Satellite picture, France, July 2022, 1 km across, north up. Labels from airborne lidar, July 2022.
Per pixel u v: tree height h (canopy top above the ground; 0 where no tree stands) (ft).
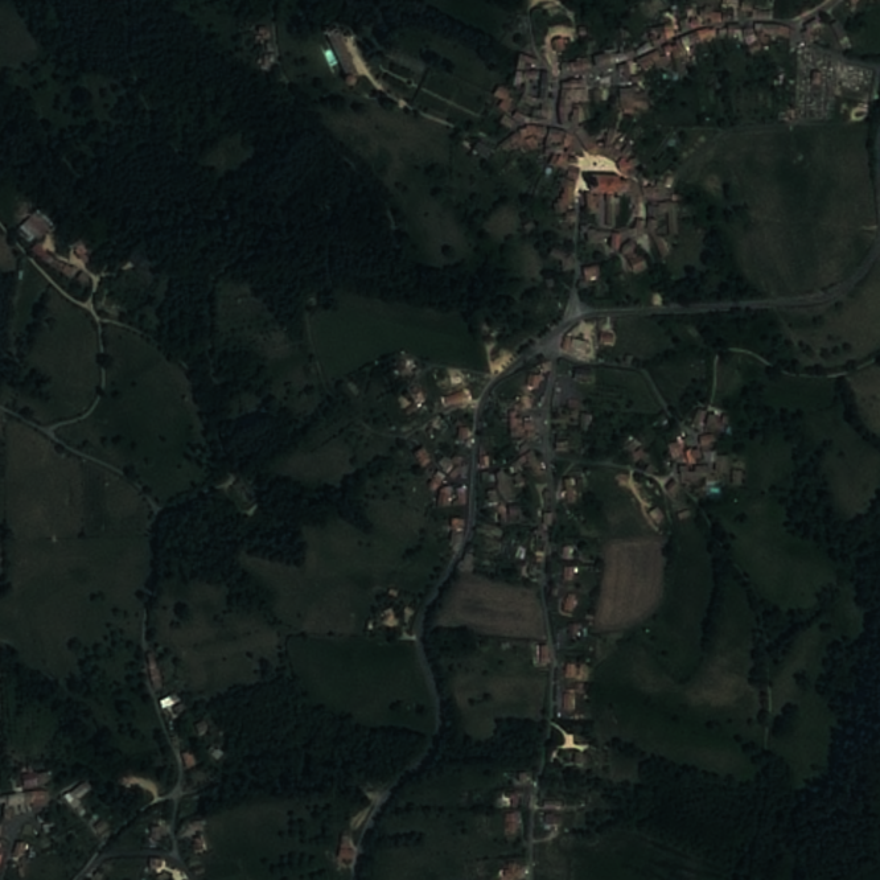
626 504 0
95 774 54
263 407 31
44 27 56
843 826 80
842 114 0
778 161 0
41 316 44
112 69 49
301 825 33
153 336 26
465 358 0
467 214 23
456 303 39
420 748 56
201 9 42
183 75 58
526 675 0
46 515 0
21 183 57
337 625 0
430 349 0
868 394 0
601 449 24
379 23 74
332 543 0
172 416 0
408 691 0
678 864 0
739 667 0
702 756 0
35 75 39
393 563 0
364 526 62
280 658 29
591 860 0
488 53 91
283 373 0
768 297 0
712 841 47
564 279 23
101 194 70
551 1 0
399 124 0
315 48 0
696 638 0
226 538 46
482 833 0
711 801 49
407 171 0
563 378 0
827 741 0
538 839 0
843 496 0
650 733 0
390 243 90
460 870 0
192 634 0
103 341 27
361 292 49
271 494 74
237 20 23
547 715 26
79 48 71
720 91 26
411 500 0
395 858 0
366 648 0
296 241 80
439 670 51
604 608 0
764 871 68
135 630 0
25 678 20
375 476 38
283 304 43
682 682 26
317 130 54
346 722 45
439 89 0
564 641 0
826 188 0
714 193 0
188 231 59
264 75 20
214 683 0
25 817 0
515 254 0
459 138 28
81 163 58
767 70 23
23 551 0
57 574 0
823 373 40
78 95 54
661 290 28
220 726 43
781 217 0
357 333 0
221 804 46
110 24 64
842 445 0
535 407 0
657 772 50
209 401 56
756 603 61
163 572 30
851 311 0
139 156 61
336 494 74
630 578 0
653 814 48
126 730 31
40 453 0
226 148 0
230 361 43
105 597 32
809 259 0
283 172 88
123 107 39
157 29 89
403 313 0
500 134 19
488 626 0
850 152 0
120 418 0
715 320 50
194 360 47
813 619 31
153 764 26
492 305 62
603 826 39
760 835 59
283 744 67
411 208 0
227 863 0
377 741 71
